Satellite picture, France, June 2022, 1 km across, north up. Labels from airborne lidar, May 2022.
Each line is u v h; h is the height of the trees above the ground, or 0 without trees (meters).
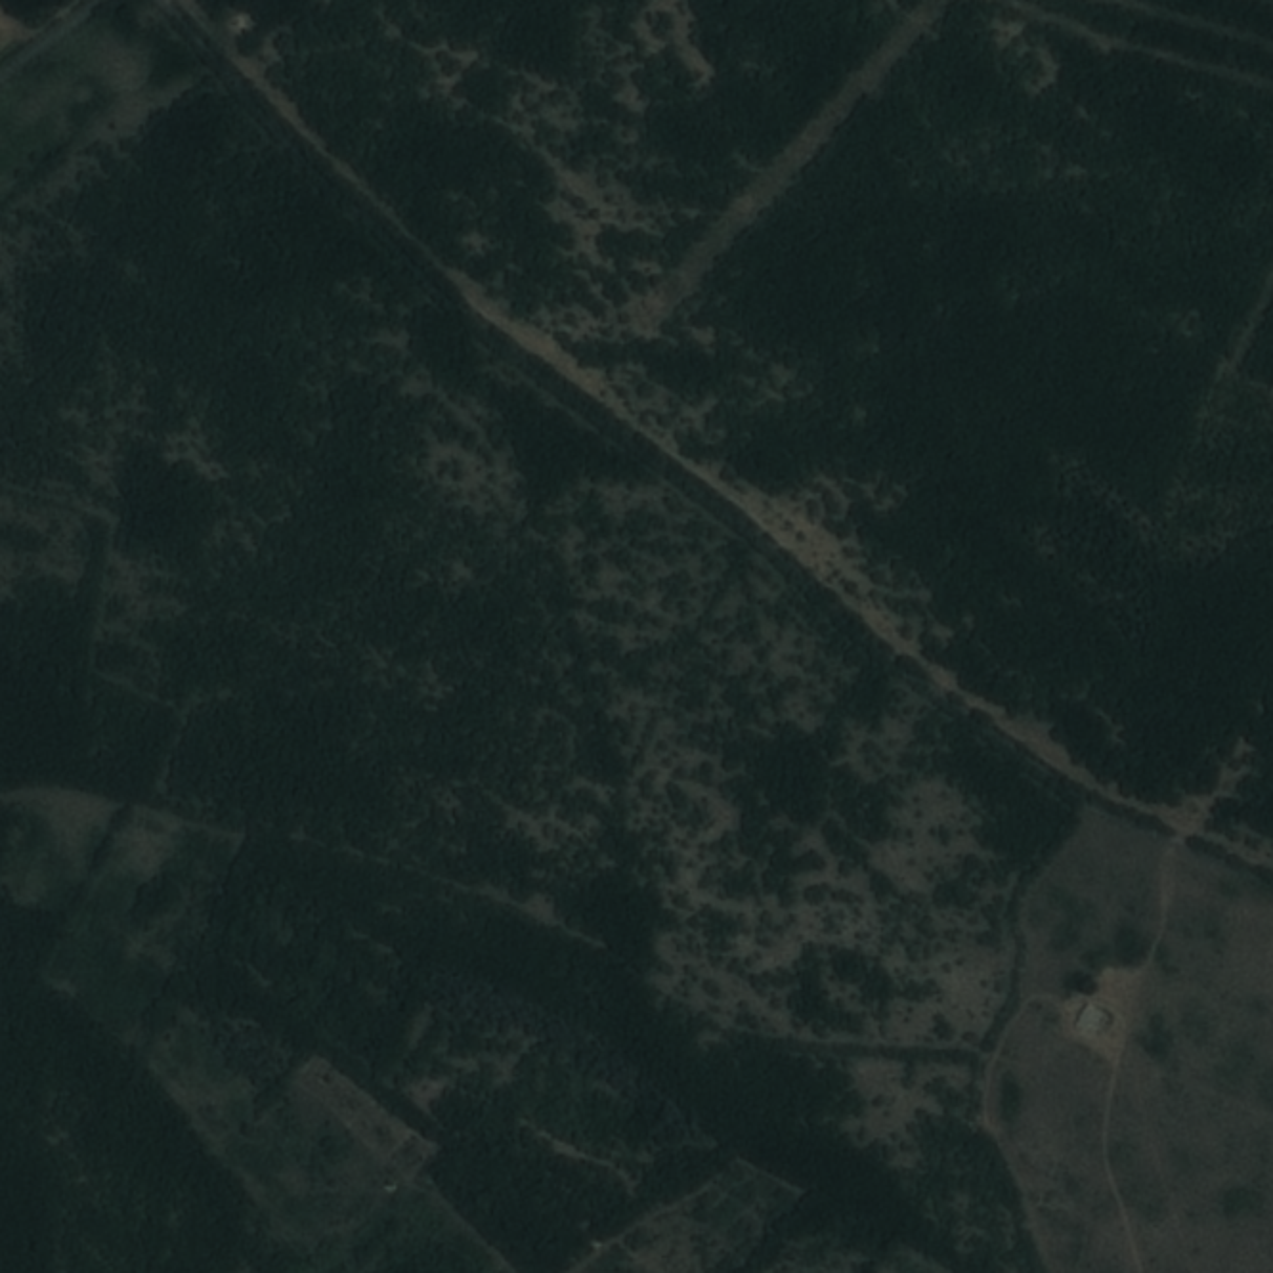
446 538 6
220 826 9
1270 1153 0
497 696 8
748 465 9
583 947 9
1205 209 8
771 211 7
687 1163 8
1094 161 8
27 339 7
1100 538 11
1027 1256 6
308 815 8
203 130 12
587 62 7
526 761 8
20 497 6
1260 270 10
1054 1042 0
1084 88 10
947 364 10
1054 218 8
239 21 0
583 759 7
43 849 0
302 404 7
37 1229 10
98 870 6
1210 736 9
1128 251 11
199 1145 10
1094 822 0
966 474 11
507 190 9
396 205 8
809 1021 8
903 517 8
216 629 7
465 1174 11
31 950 11
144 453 10
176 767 11
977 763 9
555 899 8
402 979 11
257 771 9
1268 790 10
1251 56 8
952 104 11
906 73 10
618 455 7
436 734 7
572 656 8
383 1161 0
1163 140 11
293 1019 11
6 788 6
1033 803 7
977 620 8
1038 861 7
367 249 12
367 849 8
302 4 10
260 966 10
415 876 8
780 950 0
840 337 10
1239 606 14
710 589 7
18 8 11
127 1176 8
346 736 6
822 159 9
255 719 6
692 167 8
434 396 7
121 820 10
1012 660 10
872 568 7
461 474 6
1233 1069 0
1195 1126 0
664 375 9
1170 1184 0
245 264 11
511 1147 11
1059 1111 0
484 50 7
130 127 0
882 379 9
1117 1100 0
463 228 9
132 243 9
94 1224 8
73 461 8
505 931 10
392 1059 11
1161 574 10
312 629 6
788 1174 12
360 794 8
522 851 8
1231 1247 0
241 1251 10
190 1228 9
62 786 7
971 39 8
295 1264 7
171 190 7
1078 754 12
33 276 8
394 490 9
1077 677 10
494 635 10
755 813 7
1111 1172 0
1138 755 12
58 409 6
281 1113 7
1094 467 10
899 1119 0
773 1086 8
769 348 7
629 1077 17
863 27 8
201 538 8
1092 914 0
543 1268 10
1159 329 9
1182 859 0
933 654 10
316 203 12
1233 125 10
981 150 7
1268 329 10
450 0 9
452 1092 7
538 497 7
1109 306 9
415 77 7
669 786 6
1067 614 10
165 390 7
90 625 7
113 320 9
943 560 8
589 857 7
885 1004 6
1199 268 7
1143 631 10
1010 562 9
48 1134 6
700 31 6
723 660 6
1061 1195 0
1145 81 9
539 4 8
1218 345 10
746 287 9
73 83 0
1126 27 9
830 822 7
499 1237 13
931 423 10
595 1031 9
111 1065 10
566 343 7
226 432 6
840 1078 8
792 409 7
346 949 12
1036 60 10
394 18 8
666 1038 10
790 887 7
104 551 6
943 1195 6
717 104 9
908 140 9
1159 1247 0
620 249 7
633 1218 6
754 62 7
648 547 7
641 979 9
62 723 11
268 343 10
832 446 7
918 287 12
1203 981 0
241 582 7
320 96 7
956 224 11
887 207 10
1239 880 0
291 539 7
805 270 11
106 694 9
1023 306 9
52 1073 8
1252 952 0
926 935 6
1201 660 12
